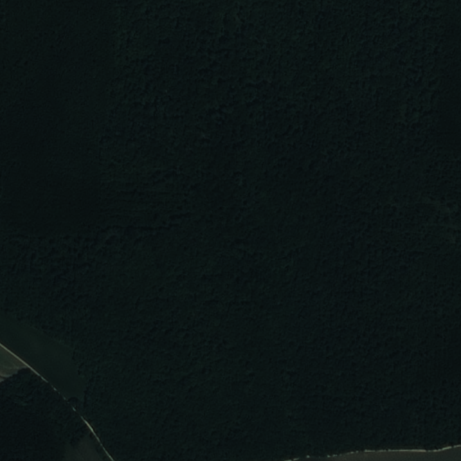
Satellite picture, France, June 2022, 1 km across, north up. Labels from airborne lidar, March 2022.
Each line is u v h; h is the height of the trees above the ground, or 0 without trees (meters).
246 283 23
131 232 20
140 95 22
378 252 18
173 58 17
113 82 12
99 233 14
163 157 19
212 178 25
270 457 14
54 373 0
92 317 20
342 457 0
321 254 17
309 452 17
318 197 18
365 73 22
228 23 28
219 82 19
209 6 22
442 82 18
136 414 15
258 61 14
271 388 15
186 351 12
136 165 18
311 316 15
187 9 26
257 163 16
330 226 16
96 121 8
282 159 20
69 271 20
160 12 22
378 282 15
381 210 15
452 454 0
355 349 16
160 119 22
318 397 17
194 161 16
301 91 15
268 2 22
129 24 15
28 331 0
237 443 16
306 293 17
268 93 17
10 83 14
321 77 16
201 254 19
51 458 20
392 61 24
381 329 18
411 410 14
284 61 18
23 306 14
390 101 20
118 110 16
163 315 17
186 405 17
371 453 0
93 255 16
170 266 17
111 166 19
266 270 20
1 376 0
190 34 24
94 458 0
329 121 14
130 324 14
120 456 13
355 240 19
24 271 17
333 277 17
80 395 0
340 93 20
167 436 15
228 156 22
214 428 14
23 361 0
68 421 18
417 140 14
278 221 16
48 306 15
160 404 15
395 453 0
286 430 18
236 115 18
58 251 21
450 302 14
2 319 0
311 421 17
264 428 19
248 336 17
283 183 18
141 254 16
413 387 13
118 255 18
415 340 18
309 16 26
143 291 17
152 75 19
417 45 24
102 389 16
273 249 20
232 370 16
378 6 22
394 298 14
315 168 20
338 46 19
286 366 17
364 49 22
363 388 14
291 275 17
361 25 19
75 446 11
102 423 16
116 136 18
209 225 19
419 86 21
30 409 17
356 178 16
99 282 16
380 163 17
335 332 14
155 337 15
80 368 14
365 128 17
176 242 19
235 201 23
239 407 16
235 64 24
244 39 23
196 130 17
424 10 20
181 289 17
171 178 19
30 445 19
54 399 25
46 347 0
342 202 17
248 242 25
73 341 16
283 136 17
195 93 21
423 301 15
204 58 24
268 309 18
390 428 15
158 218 20
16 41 10
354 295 15
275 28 19
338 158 17
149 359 13
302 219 18
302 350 15
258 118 16
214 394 14
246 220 20
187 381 15
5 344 0
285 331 19
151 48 18
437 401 17
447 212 0
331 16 22
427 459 0
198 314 20
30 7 12
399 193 13
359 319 18
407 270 16
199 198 17
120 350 13
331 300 16
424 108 6
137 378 13
